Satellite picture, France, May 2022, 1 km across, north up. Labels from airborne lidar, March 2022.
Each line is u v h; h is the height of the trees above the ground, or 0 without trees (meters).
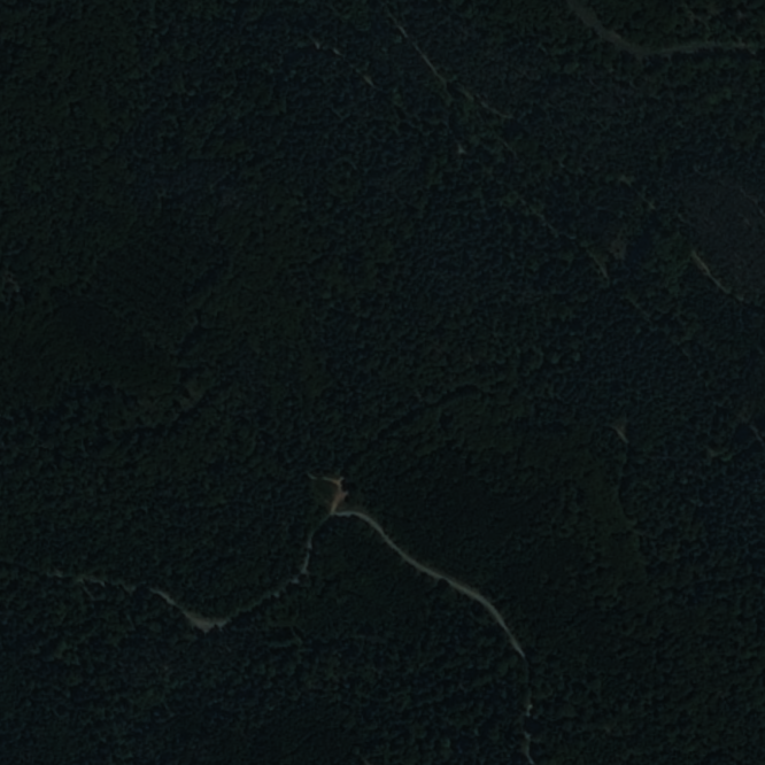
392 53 38
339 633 10
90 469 23
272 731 10
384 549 17
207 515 15
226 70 16
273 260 25
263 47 25
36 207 21
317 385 27
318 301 34
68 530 15
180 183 26
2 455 30
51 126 22
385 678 7
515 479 18
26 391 13
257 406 24
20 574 23
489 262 35
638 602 24
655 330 20
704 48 0
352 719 16
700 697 21
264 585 15
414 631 15
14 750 29
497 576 15
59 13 24
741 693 20
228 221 23
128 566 15
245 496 29
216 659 27
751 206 13
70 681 21
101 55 23
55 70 25
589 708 16
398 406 25
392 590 15
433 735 32
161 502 17
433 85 11
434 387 22
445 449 16
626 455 22
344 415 32
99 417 30
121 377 10
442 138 22
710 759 27
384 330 30
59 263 16
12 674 17
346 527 17
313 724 13
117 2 17
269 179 26
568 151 30
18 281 26
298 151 29
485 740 32
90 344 15
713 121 32
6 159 24
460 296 29
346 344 28
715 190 15
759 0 21
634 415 20
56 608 20
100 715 22
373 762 28
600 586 20
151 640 8
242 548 24
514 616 15
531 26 14
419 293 20
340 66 29
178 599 20
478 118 28
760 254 18
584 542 12
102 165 23
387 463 11
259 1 20
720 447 25
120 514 23
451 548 11
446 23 26
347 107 29
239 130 27
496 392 27
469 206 15
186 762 10
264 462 26
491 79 23
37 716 18
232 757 12
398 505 13
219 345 20
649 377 23
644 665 15
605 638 9
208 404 17
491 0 26
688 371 28
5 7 29
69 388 12
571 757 17
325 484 0
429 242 24
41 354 10
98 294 14
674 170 28
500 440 28
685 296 8
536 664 27
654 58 0
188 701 30
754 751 27
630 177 20
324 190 28
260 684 33
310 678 31
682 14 12
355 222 30
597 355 26
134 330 8
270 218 24
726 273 19
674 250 22
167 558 26
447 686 29
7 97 21
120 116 19
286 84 28
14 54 15
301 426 29
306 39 25
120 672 30
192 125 27
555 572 14
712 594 28
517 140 31
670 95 14
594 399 19
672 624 28
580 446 28
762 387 29
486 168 23
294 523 23
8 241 20
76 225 21
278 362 24
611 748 11
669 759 13
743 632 25
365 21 9
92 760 24
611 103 9
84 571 13
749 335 20
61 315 15
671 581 21
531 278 18
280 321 21
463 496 17
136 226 11
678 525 29
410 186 32
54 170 23
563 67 28
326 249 36
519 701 21
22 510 17
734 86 25
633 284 31
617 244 0
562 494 16
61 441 28
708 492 34
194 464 20
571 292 25
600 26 0
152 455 21
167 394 6
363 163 21
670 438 29
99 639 13
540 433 26
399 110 20
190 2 27
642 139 33
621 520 22
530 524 10
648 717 6
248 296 24
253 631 26
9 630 33
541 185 32
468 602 18
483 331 20
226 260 22
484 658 28
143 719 13
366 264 28
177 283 12
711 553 25
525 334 22
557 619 14
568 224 29
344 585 19
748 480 6
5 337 11
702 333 21
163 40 33
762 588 25
